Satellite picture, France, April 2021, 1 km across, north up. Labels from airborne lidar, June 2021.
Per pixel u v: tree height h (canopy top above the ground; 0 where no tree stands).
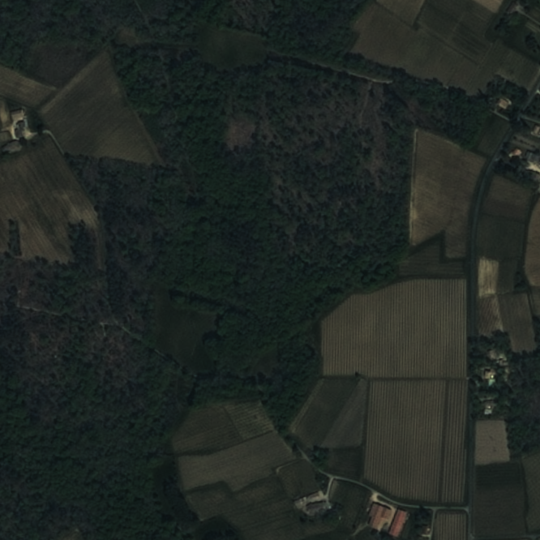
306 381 20
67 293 18
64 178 0
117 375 6
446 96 21
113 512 25
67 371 18
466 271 0
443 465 0
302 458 0
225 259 25
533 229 0
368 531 0
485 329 0
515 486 0
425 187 0
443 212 0
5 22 18
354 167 15
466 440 0
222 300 9
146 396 22
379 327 0
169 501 19
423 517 14
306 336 22
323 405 0
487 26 0
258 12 16
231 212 21
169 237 25
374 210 20
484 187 0
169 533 22
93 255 28
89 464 20
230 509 0
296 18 13
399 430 0
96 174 12
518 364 23
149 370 15
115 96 0
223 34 0
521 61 0
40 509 21
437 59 0
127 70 19
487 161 0
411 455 0
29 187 0
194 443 0
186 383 8
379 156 0
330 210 20
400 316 0
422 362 0
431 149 0
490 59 0
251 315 19
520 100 12
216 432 0
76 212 0
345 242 12
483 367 14
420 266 0
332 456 14
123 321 12
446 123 13
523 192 0
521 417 17
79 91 0
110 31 11
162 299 0
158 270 23
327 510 9
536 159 0
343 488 0
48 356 13
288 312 27
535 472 0
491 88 9
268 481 0
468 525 0
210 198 24
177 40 11
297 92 19
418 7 0
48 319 6
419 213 0
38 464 25
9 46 20
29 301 8
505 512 0
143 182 15
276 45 19
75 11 19
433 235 0
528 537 0
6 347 10
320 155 14
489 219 0
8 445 28
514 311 0
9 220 0
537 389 19
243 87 14
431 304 0
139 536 20
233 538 18
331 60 20
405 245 22
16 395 24
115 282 27
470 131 26
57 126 0
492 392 15
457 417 0
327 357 0
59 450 26
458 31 0
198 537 0
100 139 0
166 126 13
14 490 11
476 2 0
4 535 20
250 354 21
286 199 16
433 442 0
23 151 0
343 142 18
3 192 0
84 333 16
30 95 0
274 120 17
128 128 0
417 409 0
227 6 24
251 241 26
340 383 0
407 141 16
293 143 15
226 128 22
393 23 0
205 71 24
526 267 0
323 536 0
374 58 0
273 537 0
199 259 29
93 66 0
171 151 9
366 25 0
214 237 24
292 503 0
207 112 26
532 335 0
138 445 19
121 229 10
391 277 19
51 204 0
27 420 22
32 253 0
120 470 17
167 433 19
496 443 0
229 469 0
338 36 21
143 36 23
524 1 8
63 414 12
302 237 18
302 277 20
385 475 0
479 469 0
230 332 21
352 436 0
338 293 25
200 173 22
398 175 14
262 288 20
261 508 0
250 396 10
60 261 0
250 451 0
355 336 0
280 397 20
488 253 0
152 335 21
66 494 17
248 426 0
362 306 0
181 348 0
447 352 0
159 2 13
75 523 15
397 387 0
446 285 0
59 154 0
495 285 0
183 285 32
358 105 19
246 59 0
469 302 0
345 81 19
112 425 14
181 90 25
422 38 0
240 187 16
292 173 15
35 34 14
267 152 15
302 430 0
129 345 7
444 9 0
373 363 0
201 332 0
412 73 0
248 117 16
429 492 0
